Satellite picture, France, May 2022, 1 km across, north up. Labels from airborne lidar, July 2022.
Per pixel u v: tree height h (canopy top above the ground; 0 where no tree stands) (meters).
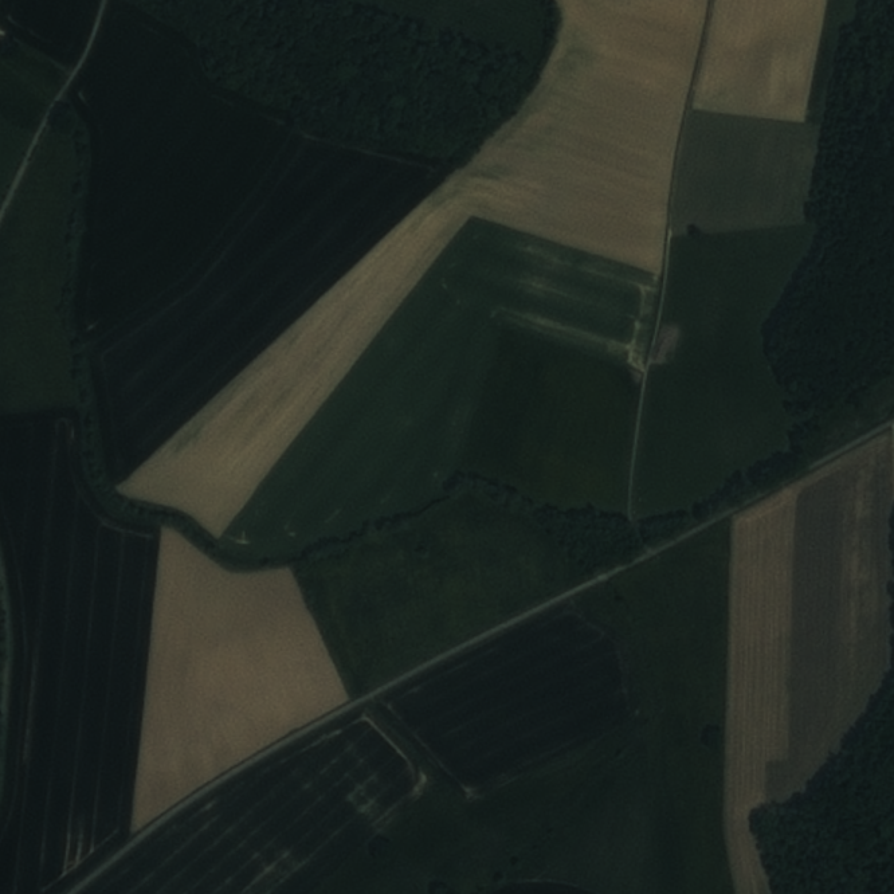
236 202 0
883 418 0
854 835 29
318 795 0
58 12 0
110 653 0
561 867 0
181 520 13
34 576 0
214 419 0
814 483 0
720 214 0
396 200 0
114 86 0
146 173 0
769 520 0
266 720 0
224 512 0
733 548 0
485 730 0
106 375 0
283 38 26
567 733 0
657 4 0
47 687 0
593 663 0
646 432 0
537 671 0
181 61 0
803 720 0
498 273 0
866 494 0
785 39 0
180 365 0
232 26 30
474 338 0
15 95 0
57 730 0
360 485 0
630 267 0
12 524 0
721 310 0
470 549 0
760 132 0
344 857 0
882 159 26
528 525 0
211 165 0
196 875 0
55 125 19
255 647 0
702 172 0
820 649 0
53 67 0
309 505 0
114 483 0
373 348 0
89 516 0
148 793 0
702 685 0
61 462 0
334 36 32
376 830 0
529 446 0
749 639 0
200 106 0
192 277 0
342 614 0
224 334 0
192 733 0
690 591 0
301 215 0
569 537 19
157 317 0
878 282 29
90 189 0
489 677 0
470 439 0
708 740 16
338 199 0
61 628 0
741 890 0
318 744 0
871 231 28
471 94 27
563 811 0
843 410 31
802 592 0
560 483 0
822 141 8
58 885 0
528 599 0
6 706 0
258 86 26
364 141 23
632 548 25
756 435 0
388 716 0
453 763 0
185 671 0
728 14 0
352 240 0
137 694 0
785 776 0
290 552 0
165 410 0
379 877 0
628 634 0
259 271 0
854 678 0
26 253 0
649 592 0
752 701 0
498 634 0
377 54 20
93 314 0
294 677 0
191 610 0
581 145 0
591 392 0
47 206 0
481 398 0
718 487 0
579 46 0
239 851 0
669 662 0
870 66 23
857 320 26
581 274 0
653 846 0
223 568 0
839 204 23
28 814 0
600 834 0
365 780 0
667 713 0
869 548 0
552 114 0
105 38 0
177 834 0
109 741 0
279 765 0
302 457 0
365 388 0
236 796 0
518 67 27
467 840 0
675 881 0
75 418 0
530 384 0
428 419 0
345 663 0
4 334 0
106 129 0
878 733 26
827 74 0
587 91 0
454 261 0
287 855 0
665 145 0
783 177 0
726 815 0
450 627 0
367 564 0
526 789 0
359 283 0
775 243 0
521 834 0
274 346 0
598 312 0
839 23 0
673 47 0
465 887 0
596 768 0
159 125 0
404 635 0
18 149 0
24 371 0
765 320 0
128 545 0
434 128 27
